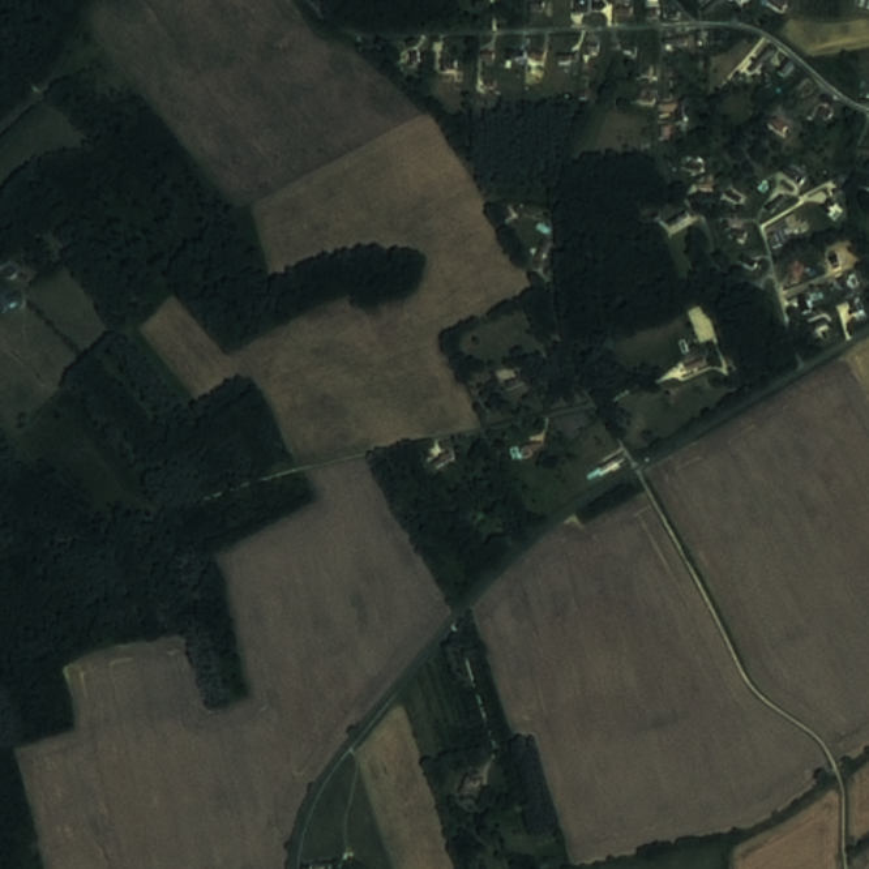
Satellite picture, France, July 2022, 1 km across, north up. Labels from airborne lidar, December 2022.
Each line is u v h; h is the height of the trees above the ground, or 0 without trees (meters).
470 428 0
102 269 26
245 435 16
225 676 7
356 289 20
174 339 0
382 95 0
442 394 0
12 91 22
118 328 18
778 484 0
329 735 0
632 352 0
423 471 17
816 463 0
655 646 0
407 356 0
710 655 0
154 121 12
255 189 0
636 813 0
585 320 25
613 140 0
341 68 0
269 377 0
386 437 0
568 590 0
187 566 18
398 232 0
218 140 0
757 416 0
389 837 0
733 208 8
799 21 0
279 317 20
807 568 0
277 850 0
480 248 0
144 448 24
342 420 0
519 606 0
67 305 0
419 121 0
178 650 0
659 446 13
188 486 23
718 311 23
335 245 0
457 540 10
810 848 0
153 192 6
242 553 0
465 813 9
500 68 0
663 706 0
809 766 0
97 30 0
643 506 0
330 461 0
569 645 0
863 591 0
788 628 0
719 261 20
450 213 0
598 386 21
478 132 19
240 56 0
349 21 18
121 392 22
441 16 23
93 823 0
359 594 0
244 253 24
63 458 0
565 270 20
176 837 0
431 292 0
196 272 21
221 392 15
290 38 0
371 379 0
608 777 0
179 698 0
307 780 0
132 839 0
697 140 11
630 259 26
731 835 7
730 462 0
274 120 0
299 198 0
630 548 0
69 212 19
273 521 7
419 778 0
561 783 0
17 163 0
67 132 0
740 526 0
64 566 20
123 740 0
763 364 18
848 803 0
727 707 0
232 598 0
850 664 0
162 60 0
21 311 0
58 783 0
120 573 22
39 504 19
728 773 0
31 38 26
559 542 0
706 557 0
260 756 0
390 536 0
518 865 12
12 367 0
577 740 0
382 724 0
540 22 0
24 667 21
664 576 0
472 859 7
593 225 25
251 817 0
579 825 0
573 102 6
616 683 0
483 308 0
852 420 0
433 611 0
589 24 0
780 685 0
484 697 8
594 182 25
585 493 0
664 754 0
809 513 0
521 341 0
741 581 0
